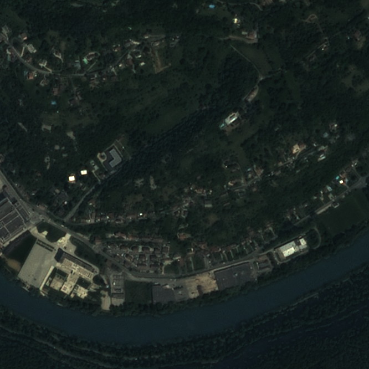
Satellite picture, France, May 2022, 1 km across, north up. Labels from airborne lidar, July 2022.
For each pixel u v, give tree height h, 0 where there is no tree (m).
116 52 6
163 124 0
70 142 7
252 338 17
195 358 17
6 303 0
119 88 6
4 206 0
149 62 0
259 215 7
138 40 6
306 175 14
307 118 19
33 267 0
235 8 10
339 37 8
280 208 6
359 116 19
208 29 7
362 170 14
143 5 7
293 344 28
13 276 19
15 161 17
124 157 7
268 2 0
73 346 9
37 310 0
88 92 6
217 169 9
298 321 28
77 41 14
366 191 15
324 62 7
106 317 0
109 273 0
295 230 23
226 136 10
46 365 23
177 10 12
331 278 0
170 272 0
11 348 23
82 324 0
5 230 0
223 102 17
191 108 0
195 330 0
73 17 14
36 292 21
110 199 5
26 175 15
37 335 14
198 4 11
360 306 25
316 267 0
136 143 8
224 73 18
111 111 15
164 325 0
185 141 12
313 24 7
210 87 22
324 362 22
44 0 7
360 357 27
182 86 10
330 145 14
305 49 16
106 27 9
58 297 19
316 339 8
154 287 0
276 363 22
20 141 12
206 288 0
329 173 12
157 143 9
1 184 0
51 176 6
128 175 9
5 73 5
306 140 15
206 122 10
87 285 0
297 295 0
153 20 9
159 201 6
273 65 16
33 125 6
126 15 12
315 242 9
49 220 0
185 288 0
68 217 0
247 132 0
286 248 0
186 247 14
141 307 13
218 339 8
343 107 14
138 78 14
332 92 7
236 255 6
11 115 12
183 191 8
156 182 8
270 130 17
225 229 7
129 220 0
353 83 11
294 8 18
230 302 0
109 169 0
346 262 0
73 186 12
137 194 9
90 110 9
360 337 21
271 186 7
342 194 0
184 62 18
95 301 0
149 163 10
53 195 8
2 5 12
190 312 0
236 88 8
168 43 6
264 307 0
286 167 7
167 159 8
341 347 20
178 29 18
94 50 15
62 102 0
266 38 19
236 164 8
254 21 9
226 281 0
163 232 6
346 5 15
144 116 16
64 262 0
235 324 0
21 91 10
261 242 7
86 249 0
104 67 14
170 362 23
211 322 0
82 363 17
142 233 6
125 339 0
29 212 0
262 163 17
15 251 0
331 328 15
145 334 0
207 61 13
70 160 6
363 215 0
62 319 0
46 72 0
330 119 6
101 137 15
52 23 15
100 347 24
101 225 12
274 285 0
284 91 14
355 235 7
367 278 27
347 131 16
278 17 17
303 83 22
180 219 12
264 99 0
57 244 0
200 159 7
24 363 23
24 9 17
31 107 7
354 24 15
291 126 16
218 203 7
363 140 14
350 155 20
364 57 17
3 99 10
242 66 9
